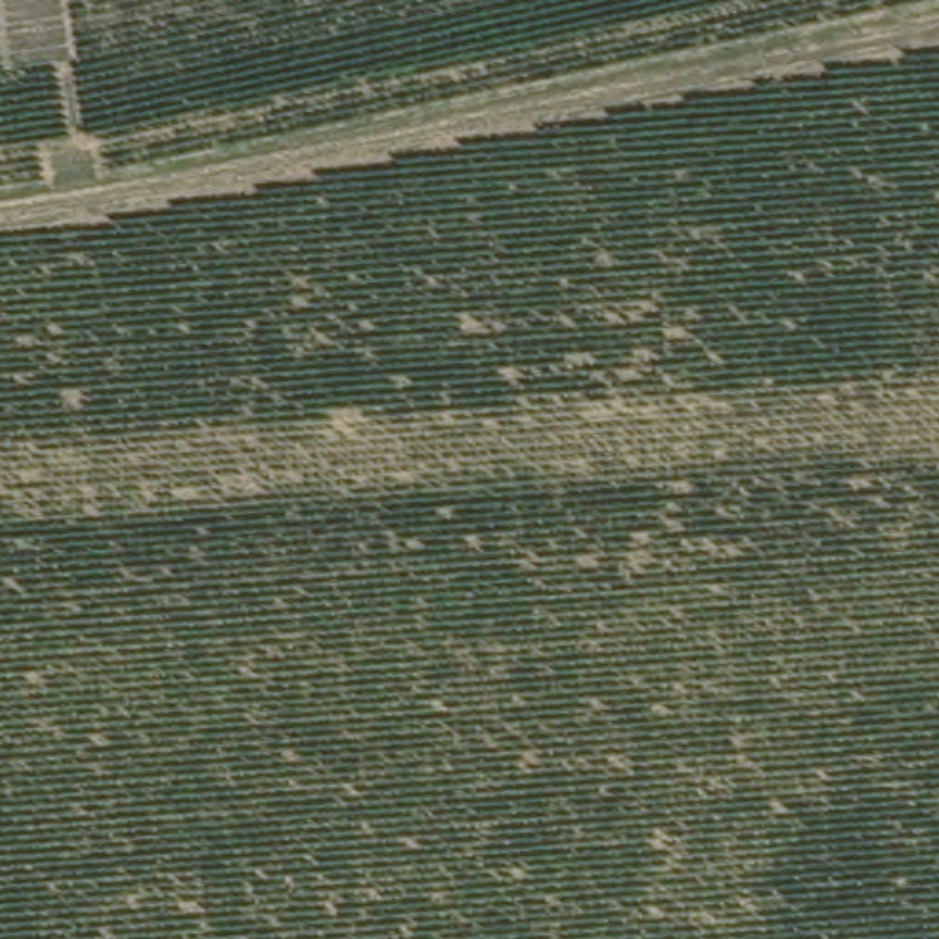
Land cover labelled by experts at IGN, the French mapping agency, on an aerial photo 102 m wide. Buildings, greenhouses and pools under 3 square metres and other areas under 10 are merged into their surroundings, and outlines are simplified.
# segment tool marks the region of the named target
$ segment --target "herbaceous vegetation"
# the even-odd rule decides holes
[[[55,169],[55,180],[37,176],[0,183],[0,231],[106,224],[110,213],[165,209],[176,198],[202,194],[246,194],[257,183],[308,180],[315,176],[315,169],[378,165],[389,161],[396,150],[440,150],[455,147],[466,136],[532,132],[543,121],[605,117],[609,106],[624,103],[679,103],[686,92],[752,88],[759,77],[822,73],[825,62],[891,62],[902,59],[902,51],[910,48],[939,48],[939,0],[917,0],[844,18],[814,18],[803,26],[785,22],[778,29],[741,40],[708,40],[668,55],[642,55],[598,70],[499,84],[488,92],[455,95],[440,103],[396,106],[374,117],[334,121],[293,136],[268,136],[235,147],[169,154],[150,165],[110,165],[103,147],[95,154],[77,150],[70,161]]]
[[[70,0],[0,0],[0,66],[51,66],[55,84],[70,81],[77,62],[77,40]]]

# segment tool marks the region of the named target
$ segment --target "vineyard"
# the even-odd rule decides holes
[[[785,22],[803,26],[814,18],[844,18],[917,0],[70,0],[77,40],[77,62],[70,81],[55,84],[51,66],[0,66],[0,183],[37,176],[55,180],[55,169],[70,161],[77,150],[95,154],[103,147],[110,165],[150,165],[169,154],[235,147],[268,136],[293,136],[334,121],[374,117],[396,106],[440,103],[455,95],[488,92],[499,84],[598,70],[642,55],[668,55],[708,40],[741,40],[778,29]]]
[[[822,73],[759,77],[752,88],[686,92],[679,103],[624,103],[609,106],[605,117],[543,121],[532,132],[466,136],[455,147],[440,150],[396,150],[389,161],[378,165],[315,169],[315,176],[308,180],[257,183],[246,194],[202,194],[176,198],[165,209],[110,213],[106,224],[0,231],[0,939],[939,939],[939,48],[910,48],[902,51],[902,59],[891,62],[825,62]]]

